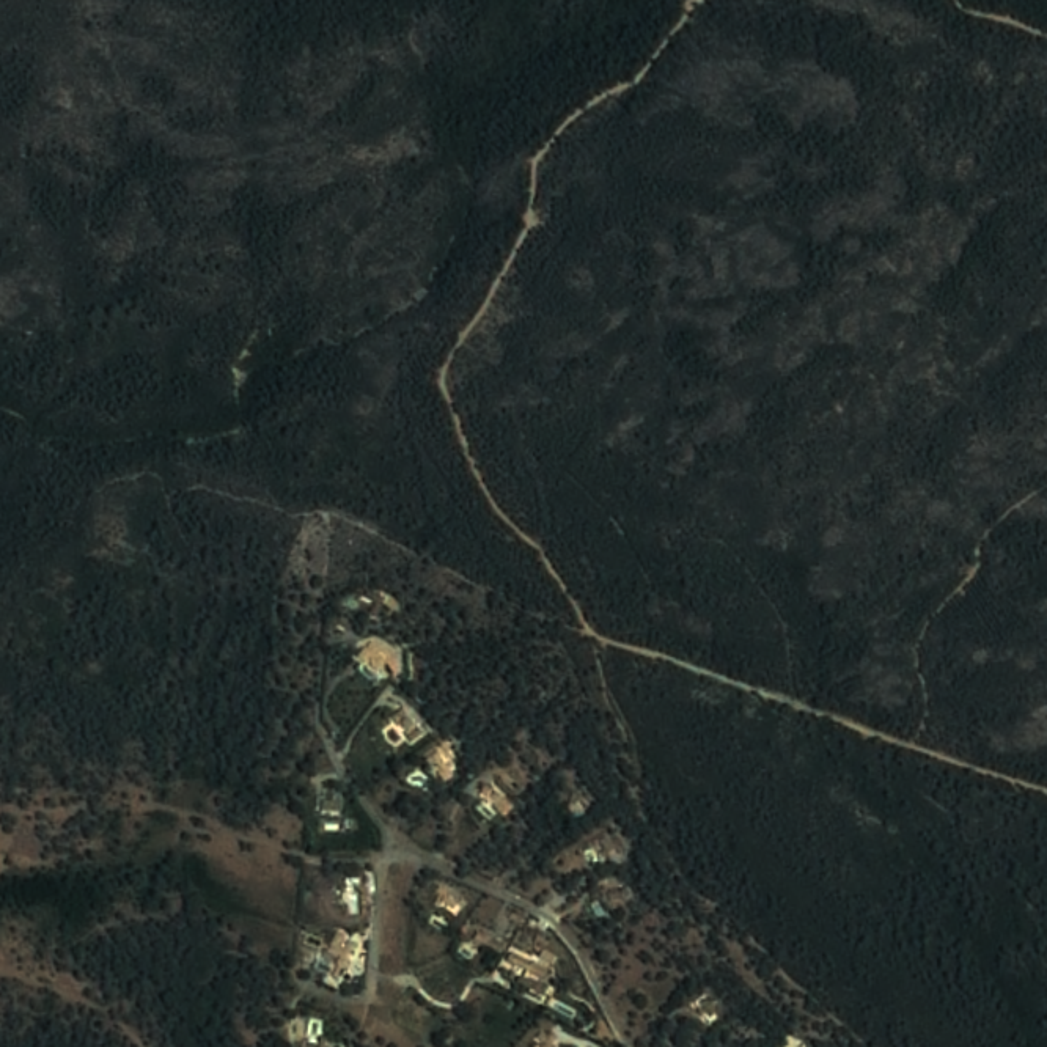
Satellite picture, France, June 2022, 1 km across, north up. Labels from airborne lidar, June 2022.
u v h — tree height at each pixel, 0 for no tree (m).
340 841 0
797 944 10
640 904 13
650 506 7
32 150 9
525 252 7
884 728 10
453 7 8
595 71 8
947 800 12
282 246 13
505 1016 0
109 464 6
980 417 8
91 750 16
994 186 8
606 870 17
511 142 13
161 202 10
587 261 8
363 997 0
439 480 9
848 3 0
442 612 15
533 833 18
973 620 6
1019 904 7
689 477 7
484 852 15
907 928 7
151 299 8
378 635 11
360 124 8
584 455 7
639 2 13
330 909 0
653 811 14
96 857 16
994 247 10
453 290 14
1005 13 11
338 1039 8
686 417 9
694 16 12
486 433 8
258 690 14
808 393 6
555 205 8
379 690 9
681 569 8
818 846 7
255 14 15
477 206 7
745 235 0
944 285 8
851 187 9
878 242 10
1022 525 9
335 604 15
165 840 0
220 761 10
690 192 10
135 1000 10
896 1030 13
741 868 9
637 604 6
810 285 10
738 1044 7
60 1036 16
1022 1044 14
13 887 8
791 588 9
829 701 12
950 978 14
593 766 16
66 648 12
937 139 6
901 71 14
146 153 11
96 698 14
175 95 6
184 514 9
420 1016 0
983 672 7
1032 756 8
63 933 11
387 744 0
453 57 9
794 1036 11
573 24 10
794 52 7
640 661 8
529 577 6
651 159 5
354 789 13
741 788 9
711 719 7
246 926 0
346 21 11
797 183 11
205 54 7
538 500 8
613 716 11
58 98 0
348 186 9
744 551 6
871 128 11
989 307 9
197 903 10
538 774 14
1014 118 12
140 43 0
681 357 10
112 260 6
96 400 12
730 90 0
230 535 10
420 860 0
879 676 0
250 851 10
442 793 15
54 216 9
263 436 12
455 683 14
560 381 8
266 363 8
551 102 15
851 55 13
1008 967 11
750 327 9
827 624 11
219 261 9
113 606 14
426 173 9
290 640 17
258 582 12
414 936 0
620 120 7
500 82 8
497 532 6
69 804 10
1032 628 6
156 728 16
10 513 6
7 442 13
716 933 9
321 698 6
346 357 10
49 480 9
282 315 11
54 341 11
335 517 0
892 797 12
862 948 11
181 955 11
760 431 9
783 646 7
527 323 7
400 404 6
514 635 8
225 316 8
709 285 0
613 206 6
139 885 15
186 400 13
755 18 6
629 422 0
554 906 0
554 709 14
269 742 15
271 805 12
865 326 0
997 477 0
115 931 10
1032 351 10
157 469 6
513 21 11
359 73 7
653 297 10
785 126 10
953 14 17
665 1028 18
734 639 8
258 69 9
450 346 7
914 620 9
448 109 8
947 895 15
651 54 7
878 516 7
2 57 10
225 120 7
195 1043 14
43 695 11
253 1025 9
